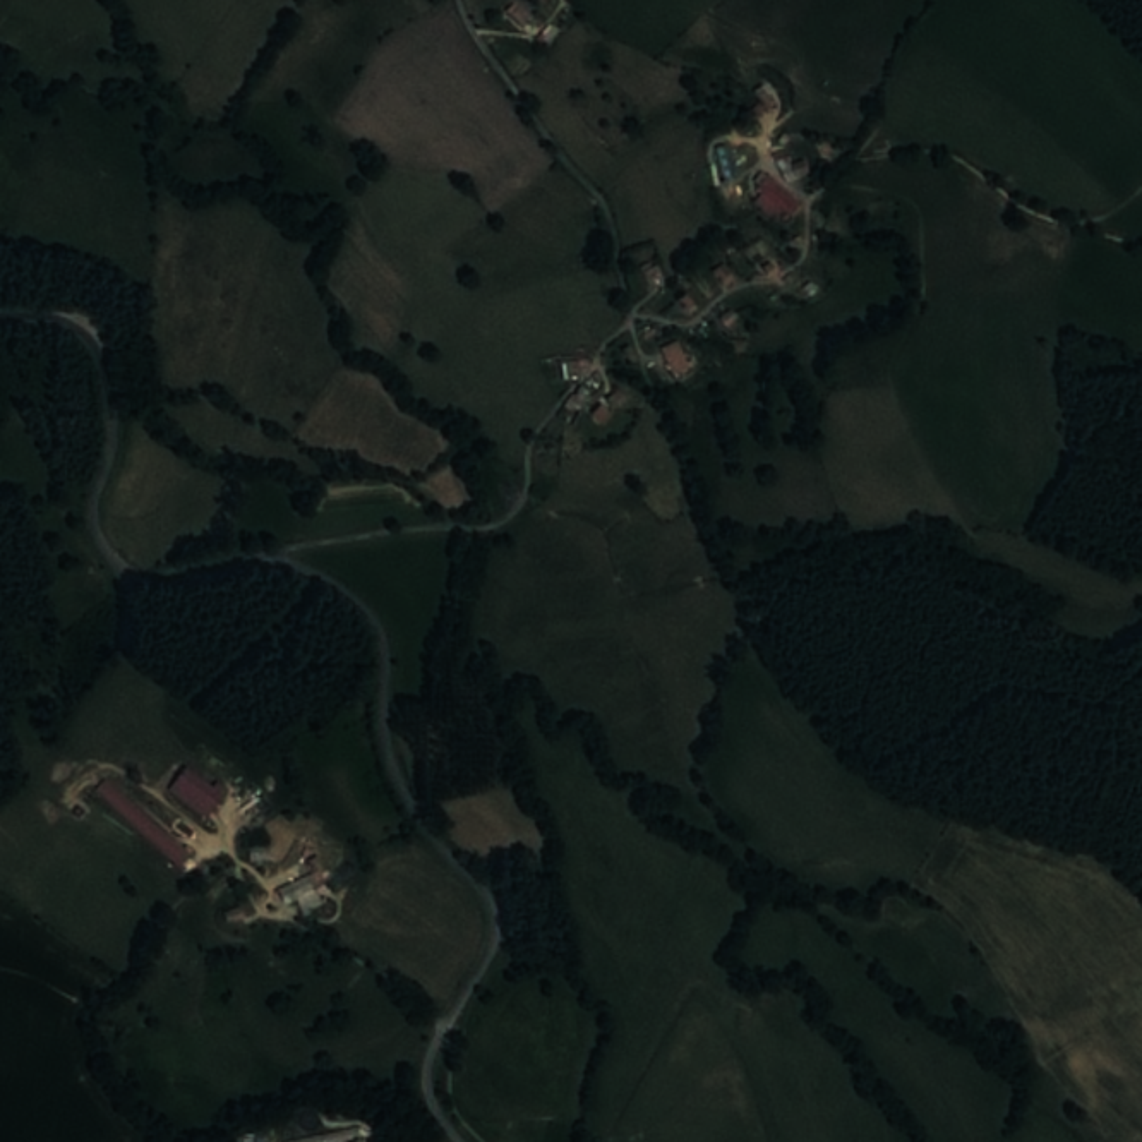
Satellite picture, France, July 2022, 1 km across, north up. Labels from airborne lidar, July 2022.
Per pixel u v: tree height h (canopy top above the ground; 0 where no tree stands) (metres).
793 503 0
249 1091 0
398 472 12
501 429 0
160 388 19
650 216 0
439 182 0
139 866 0
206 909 0
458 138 0
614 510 0
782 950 0
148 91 6
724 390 8
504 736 17
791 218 0
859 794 0
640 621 0
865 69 0
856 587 16
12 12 0
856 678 17
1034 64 0
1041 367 0
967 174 0
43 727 26
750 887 17
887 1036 0
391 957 0
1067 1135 0
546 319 0
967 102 0
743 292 0
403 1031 0
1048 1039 0
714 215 0
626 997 0
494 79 0
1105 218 0
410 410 13
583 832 0
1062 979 0
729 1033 0
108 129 0
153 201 10
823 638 19
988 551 0
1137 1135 0
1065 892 0
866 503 0
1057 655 19
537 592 0
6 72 18
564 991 0
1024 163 0
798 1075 0
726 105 13
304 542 0
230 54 0
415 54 0
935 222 0
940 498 0
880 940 0
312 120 0
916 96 0
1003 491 0
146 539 0
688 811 0
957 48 0
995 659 20
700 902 0
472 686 18
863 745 19
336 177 0
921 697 18
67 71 0
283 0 0
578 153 0
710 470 0
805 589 17
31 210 0
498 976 0
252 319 0
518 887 35
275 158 17
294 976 0
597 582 0
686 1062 0
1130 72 0
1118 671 18
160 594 39
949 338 0
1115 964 0
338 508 0
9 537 30
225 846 0
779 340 0
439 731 26
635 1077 0
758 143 0
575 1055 0
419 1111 27
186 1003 0
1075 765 32
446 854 0
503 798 0
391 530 13
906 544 21
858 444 0
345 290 0
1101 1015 0
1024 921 0
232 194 15
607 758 15
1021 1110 16
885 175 0
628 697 0
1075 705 27
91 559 0
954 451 0
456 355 0
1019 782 34
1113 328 0
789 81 0
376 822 0
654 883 0
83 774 0
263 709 32
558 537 0
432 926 0
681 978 0
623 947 0
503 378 0
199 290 0
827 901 16
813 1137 0
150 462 0
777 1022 0
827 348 18
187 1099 0
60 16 0
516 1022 0
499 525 0
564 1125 0
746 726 0
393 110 0
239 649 30
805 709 22
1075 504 19
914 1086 0
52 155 0
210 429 0
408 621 0
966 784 33
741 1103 0
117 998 15
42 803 0
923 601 19
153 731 0
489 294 0
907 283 20
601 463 0
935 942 0
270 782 0
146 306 28
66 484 21
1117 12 18
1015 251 0
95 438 21
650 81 0
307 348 0
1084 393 21
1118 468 11
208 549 20
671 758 0
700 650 0
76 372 19
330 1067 16
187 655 35
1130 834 16
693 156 0
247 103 14
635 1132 0
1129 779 17
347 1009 6
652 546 0
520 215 0
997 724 34
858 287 0
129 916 0
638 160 0
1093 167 0
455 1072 20
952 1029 17
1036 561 0
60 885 0
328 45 0
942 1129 0
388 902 0
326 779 0
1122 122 0
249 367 0
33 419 27
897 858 0
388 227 0
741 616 8
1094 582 0
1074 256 0
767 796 0
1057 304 0
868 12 0
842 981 0
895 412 0
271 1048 0
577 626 0
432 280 0
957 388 0
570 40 0
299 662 36
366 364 18
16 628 27
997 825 20
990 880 0
